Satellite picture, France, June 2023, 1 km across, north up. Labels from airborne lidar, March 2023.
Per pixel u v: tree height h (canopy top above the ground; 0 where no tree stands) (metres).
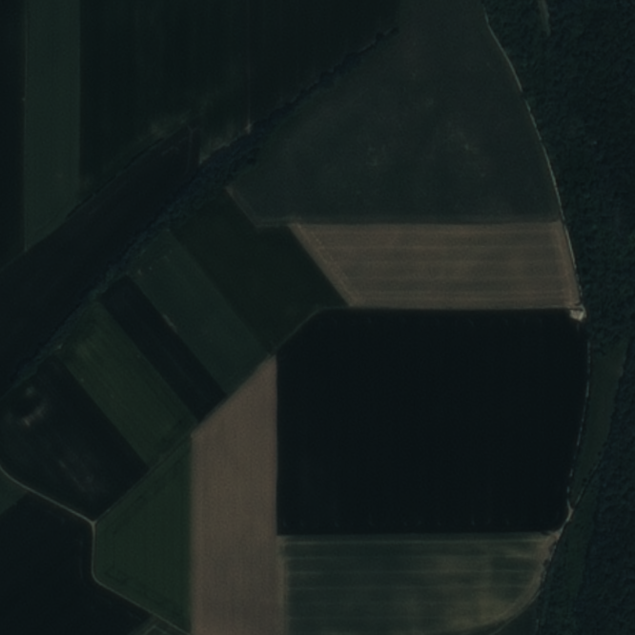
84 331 0
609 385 0
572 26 25
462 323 0
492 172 0
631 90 19
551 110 6
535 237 0
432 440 0
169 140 0
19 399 0
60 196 0
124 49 0
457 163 0
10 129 0
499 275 0
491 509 0
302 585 0
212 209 0
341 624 0
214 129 0
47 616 0
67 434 0
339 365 0
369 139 0
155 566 0
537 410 0
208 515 0
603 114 17
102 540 0
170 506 0
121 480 0
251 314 0
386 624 0
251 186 0
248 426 0
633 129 18
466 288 0
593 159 8
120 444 0
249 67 0
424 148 0
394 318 0
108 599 0
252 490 0
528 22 12
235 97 0
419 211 0
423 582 0
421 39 0
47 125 0
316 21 0
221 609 0
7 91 0
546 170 0
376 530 0
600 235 12
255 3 0
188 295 0
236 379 0
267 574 0
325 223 0
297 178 0
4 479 0
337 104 0
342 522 0
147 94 0
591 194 13
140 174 0
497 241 0
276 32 0
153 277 0
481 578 0
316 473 0
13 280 0
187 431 0
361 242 0
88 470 0
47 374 0
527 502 0
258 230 0
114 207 0
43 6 0
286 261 0
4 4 0
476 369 0
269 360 0
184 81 0
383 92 0
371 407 0
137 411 0
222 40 0
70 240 0
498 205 0
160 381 0
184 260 0
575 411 0
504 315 0
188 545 0
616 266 11
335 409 0
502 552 0
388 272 0
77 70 0
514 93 0
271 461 0
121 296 0
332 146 0
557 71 18
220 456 0
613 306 16
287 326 0
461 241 0
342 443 0
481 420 0
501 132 0
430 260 0
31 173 0
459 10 0
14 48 0
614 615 19
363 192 0
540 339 0
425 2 0
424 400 0
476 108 0
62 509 0
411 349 0
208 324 0
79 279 0
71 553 0
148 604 0
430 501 0
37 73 0
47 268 0
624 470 12
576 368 0
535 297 0
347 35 0
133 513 0
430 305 0
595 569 20
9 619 0
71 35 0
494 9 16
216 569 0
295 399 0
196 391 0
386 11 0
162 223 15
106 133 0
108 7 0
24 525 0
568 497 9
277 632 0
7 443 0
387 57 0
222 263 0
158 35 0
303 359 0
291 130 0
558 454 0
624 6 21
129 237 0
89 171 0
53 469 0
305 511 0
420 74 0
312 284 0
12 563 0
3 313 0
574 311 0
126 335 0
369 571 0
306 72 0
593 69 22
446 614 0
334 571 0
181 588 0
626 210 17
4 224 0
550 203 0
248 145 18
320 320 0
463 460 0
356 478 0
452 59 0
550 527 0
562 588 12
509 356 0
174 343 0
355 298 0
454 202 0
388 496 0
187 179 0
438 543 0
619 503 19
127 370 0
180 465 0
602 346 15
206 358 0
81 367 0
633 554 22
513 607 0
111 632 0
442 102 0
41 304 0
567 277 0
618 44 21
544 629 17
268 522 0
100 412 0
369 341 0
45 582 0
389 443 0
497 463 0
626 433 18
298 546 0
